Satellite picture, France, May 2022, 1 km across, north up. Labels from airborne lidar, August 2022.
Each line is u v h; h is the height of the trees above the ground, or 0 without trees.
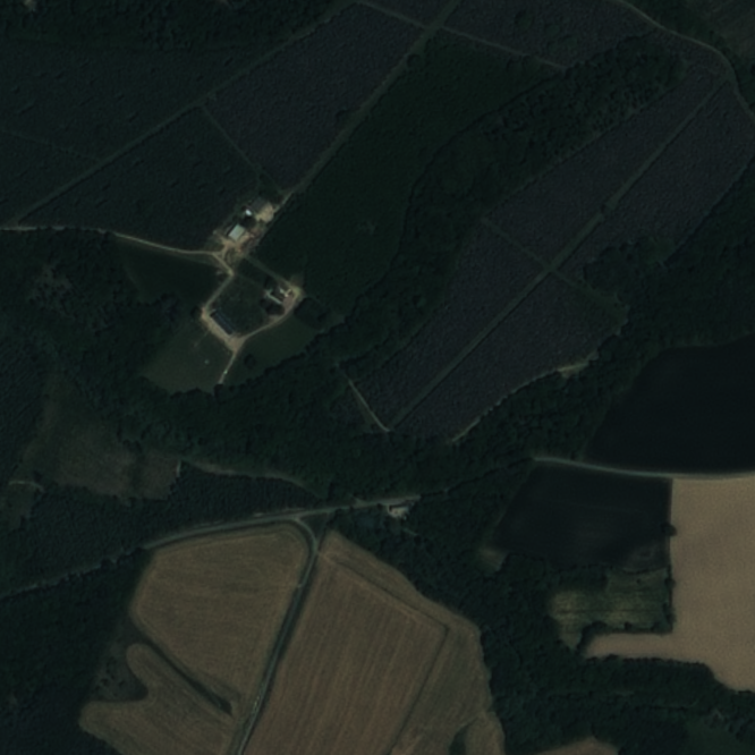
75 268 17
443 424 8
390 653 0
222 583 0
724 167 8
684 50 7
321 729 0
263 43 12
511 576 18
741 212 22
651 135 8
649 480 0
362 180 9
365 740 0
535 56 8
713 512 0
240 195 8
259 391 19
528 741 15
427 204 19
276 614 0
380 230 9
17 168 12
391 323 24
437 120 8
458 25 6
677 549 0
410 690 0
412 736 0
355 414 8
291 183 7
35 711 18
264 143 8
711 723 13
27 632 22
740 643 0
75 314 17
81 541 15
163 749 0
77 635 17
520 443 16
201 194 12
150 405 21
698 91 8
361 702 0
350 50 7
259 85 6
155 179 11
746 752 0
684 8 16
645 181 7
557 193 8
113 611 19
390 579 0
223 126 7
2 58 12
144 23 17
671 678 17
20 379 14
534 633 18
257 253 6
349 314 9
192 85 11
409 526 9
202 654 0
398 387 8
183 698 0
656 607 0
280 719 0
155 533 16
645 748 17
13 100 14
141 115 12
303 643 0
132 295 19
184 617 0
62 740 19
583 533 0
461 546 16
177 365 0
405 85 8
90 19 20
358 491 11
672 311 23
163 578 0
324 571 0
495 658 21
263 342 0
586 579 8
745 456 0
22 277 10
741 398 0
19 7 9
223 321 0
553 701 14
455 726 0
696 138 7
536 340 8
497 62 8
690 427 0
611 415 0
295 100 6
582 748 0
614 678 15
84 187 12
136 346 23
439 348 8
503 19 9
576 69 13
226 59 12
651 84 18
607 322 8
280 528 0
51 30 18
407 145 8
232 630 0
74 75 14
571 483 0
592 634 14
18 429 10
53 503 14
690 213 8
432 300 23
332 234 11
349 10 8
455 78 5
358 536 19
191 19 20
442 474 22
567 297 8
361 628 0
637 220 7
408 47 7
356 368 20
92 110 12
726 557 0
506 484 15
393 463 21
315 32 7
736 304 22
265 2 22
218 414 22
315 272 7
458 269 7
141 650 0
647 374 0
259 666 0
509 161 22
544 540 0
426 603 0
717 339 20
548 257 9
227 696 0
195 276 0
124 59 13
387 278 14
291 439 23
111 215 12
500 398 7
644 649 0
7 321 19
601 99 18
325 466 17
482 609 25
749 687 0
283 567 0
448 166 19
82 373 23
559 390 18
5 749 15
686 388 0
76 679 18
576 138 15
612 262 21
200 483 13
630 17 7
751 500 0
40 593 13
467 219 20
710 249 22
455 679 0
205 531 0
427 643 0
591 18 8
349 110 7
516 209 7
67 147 10
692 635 0
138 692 0
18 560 14
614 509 0
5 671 21
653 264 15
